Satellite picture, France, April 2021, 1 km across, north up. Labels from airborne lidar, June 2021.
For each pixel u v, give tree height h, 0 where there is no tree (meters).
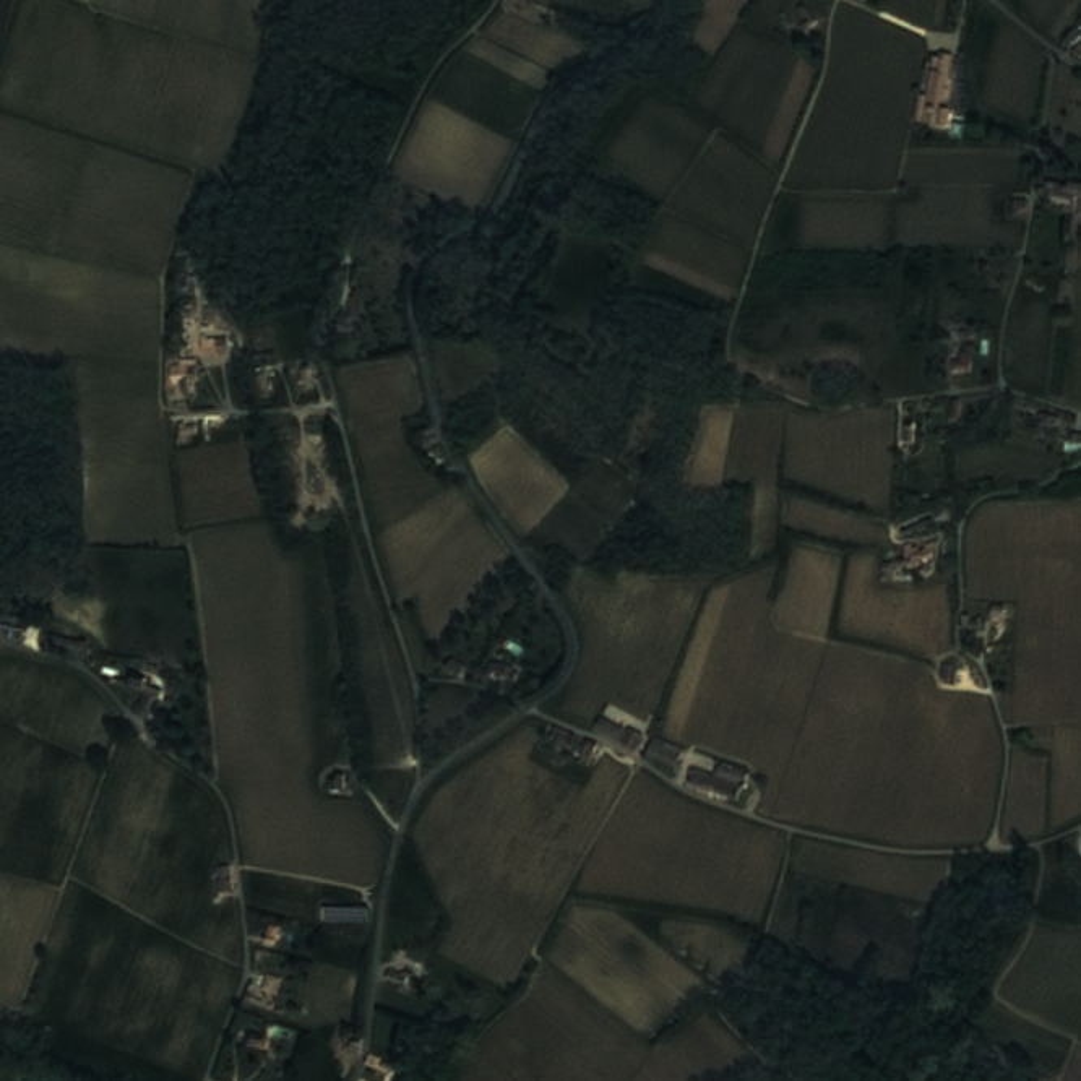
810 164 0
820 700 0
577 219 18
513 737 0
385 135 20
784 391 13
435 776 0
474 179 0
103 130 0
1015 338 0
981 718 0
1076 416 8
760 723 0
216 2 0
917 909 0
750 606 0
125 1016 0
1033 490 16
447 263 19
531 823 0
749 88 0
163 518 0
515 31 0
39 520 18
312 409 0
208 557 0
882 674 0
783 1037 16
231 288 22
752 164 0
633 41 19
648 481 10
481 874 0
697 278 0
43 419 20
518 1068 0
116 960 0
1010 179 0
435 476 16
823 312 0
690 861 0
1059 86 0
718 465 0
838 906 0
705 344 15
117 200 0
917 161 0
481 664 7
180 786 0
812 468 0
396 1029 9
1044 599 0
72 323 0
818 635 0
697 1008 12
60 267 0
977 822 0
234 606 0
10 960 0
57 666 0
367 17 26
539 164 17
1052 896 0
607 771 0
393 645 0
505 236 15
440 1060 19
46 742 0
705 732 0
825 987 21
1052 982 0
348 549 0
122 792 0
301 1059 6
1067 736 0
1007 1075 23
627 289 10
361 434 0
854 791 0
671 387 15
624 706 0
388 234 18
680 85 21
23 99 0
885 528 0
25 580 24
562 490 0
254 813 0
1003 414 19
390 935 0
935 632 0
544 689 7
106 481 0
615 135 0
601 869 0
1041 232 5
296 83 18
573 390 19
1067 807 0
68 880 0
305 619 0
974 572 0
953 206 0
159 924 0
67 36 0
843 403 18
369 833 0
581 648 0
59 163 0
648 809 0
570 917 0
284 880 0
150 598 0
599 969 0
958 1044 30
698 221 0
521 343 18
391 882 0
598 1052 0
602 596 0
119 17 0
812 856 0
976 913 18
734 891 0
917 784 0
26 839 0
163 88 0
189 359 0
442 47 6
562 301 0
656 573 9
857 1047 28
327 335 16
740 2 0
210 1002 0
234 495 0
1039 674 0
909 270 7
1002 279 7
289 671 0
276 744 0
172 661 0
